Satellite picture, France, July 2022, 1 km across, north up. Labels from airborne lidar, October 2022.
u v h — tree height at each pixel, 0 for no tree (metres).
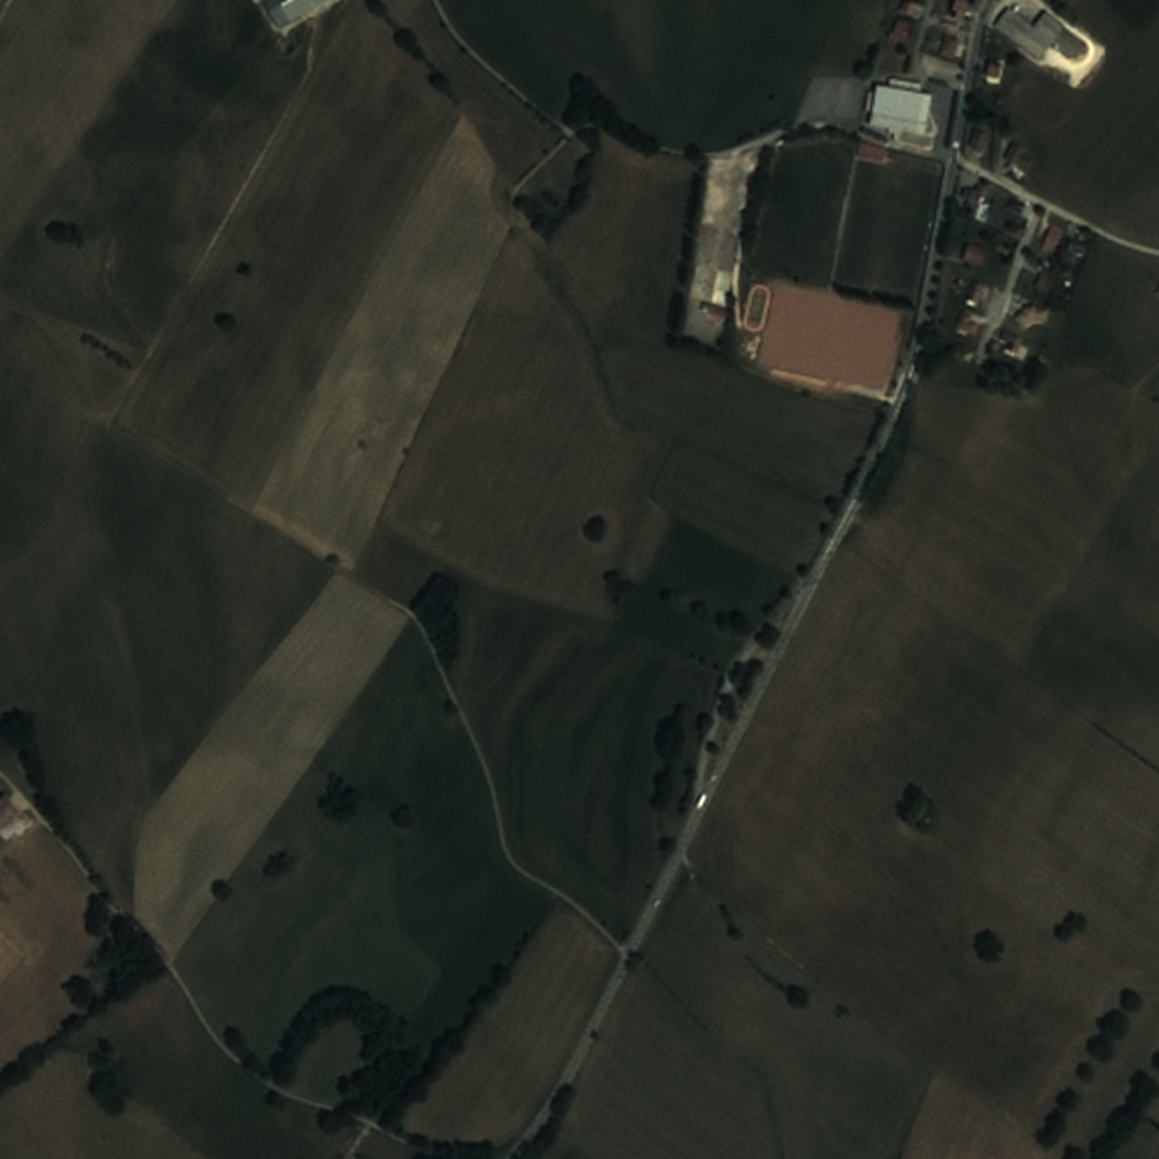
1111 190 0
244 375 0
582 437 0
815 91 0
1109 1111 0
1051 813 0
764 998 0
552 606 0
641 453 0
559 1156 0
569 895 0
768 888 0
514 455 0
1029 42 0
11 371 0
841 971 0
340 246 0
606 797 0
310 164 0
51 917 0
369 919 0
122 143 0
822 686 0
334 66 0
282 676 0
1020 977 0
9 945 0
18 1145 0
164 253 0
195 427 0
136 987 17
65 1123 0
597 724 0
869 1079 0
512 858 0
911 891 0
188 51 0
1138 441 0
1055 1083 0
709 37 0
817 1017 0
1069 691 0
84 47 0
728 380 0
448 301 0
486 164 0
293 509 0
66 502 0
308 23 0
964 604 0
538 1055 0
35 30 0
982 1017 0
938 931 0
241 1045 16
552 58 0
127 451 0
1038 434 0
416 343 0
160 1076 0
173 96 0
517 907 0
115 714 0
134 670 0
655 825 0
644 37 0
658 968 0
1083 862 0
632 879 0
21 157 0
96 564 0
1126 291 0
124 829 0
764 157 10
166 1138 0
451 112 0
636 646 0
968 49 0
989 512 0
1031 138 0
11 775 0
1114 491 0
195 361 0
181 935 0
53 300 0
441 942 0
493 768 0
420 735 0
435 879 0
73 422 0
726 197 0
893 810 0
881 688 0
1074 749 0
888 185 0
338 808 15
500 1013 0
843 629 0
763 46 0
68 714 0
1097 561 0
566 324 0
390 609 0
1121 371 0
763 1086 0
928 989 0
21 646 0
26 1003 0
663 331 0
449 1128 0
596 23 0
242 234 0
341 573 0
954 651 0
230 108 0
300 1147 0
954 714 0
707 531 0
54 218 0
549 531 0
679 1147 0
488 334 0
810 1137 0
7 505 0
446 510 0
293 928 0
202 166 0
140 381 0
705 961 0
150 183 0
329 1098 0
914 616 0
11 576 0
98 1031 0
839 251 0
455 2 0
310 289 0
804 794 0
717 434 0
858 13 0
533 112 9
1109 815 0
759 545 0
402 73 0
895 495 0
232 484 0
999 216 0
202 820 0
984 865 0
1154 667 0
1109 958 0
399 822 13
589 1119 0
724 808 0
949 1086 0
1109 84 0
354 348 0
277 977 0
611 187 0
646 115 0
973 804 0
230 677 0
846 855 0
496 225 0
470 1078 0
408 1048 9
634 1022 0
